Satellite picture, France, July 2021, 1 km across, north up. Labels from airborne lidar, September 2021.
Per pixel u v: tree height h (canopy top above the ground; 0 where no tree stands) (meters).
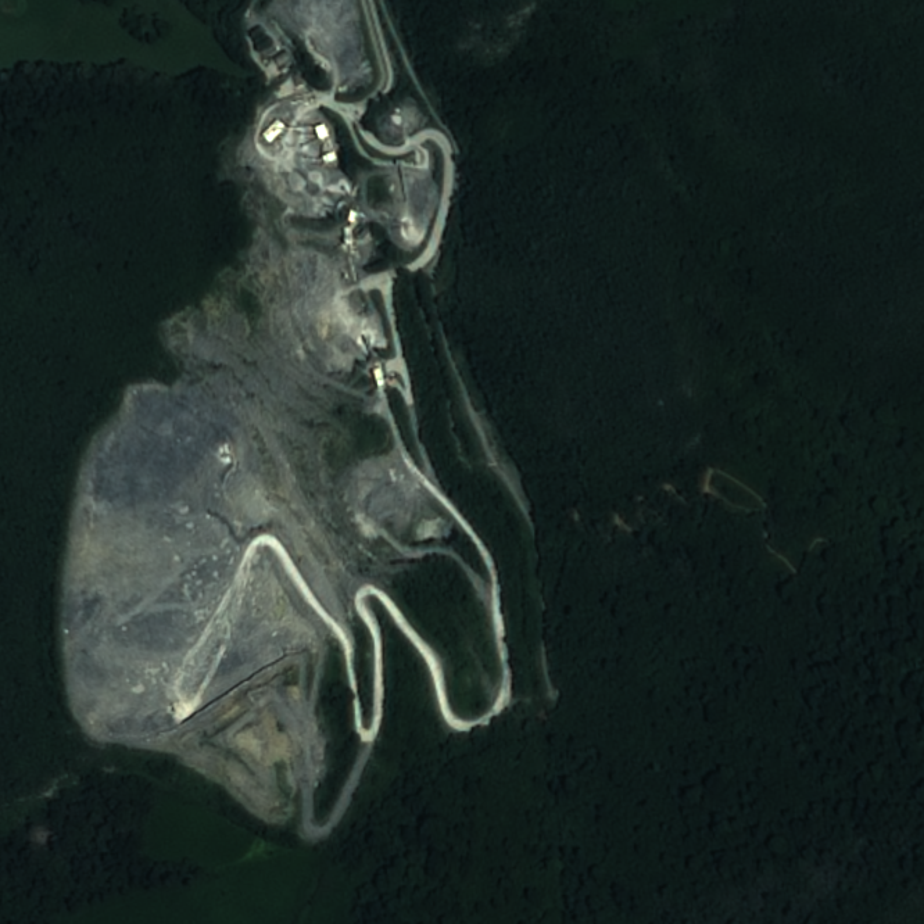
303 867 0
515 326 7
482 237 9
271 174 0
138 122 11
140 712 0
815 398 11
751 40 8
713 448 7
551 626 14
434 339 9
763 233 6
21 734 6
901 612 21
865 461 12
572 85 10
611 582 9
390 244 16
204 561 0
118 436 0
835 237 6
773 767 10
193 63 0
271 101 0
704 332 7
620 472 5
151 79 13
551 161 6
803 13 6
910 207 7
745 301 13
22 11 0
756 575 11
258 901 0
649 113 11
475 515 12
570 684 10
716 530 10
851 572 11
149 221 6
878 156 6
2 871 13
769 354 14
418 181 0
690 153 10
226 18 16
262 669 0
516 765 11
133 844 22
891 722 11
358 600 0
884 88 6
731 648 10
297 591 0
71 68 13
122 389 6
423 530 0
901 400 13
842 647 17
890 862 10
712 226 12
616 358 6
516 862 19
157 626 0
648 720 11
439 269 10
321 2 0
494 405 7
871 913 9
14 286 7
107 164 8
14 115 24
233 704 0
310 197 0
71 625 0
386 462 0
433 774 12
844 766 19
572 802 12
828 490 12
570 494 10
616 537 14
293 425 0
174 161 10
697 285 8
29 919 15
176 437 0
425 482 0
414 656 11
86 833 12
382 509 0
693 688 12
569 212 12
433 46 10
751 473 0
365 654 11
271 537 0
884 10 7
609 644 12
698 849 10
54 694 12
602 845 11
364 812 8
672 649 12
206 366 0
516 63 11
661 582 11
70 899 12
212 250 11
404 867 26
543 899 24
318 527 0
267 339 0
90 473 0
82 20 0
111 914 0
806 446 8
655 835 10
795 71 6
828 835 9
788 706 8
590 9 8
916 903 6
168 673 0
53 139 10
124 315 7
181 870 15
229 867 0
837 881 6
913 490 11
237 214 7
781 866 9
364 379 8
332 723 8
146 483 0
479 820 11
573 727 11
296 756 0
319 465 16
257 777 0
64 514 7
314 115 0
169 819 0
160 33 12
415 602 16
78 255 6
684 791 11
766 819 11
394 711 13
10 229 10
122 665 0
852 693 10
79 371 6
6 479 7
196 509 0
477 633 6
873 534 9
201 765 0
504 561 13
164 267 8
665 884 10
